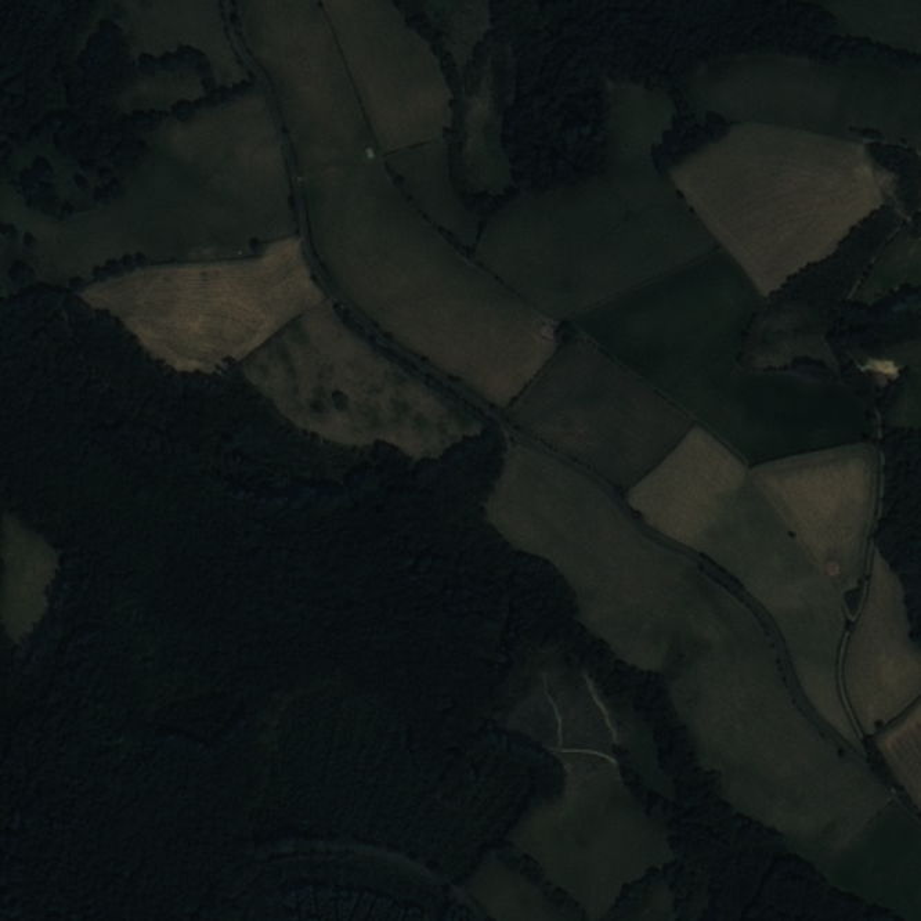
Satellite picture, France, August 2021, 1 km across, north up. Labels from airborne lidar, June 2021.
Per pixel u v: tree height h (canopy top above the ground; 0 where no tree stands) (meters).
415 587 27
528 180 20
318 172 0
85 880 25
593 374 0
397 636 31
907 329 16
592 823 0
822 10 6
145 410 30
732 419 0
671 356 0
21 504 22
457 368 0
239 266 0
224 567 26
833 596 0
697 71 15
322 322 0
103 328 20
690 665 0
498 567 28
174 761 28
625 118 0
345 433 0
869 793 0
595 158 27
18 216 0
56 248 0
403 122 0
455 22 0
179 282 0
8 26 26
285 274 0
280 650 26
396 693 27
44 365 16
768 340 0
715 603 0
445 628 33
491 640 33
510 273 0
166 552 23
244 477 11
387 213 0
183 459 30
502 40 15
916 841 0
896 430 8
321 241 0
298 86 0
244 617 27
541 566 15
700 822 16
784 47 18
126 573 23
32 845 25
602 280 0
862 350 12
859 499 0
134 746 23
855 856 0
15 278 15
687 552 0
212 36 0
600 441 0
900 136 0
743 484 0
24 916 25
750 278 0
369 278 0
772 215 0
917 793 0
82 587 30
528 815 20
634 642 0
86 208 0
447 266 0
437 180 0
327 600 29
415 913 11
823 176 0
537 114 25
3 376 25
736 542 0
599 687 7
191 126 0
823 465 0
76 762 28
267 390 0
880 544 12
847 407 0
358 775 6
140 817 27
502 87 0
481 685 30
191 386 24
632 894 17
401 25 0
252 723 25
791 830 0
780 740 0
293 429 7
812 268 10
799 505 0
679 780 16
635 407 0
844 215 0
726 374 0
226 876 24
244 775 25
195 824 24
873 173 0
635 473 0
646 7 23
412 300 0
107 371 22
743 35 21
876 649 0
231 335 0
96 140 22
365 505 33
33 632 0
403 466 17
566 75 23
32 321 22
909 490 12
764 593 0
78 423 25
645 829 0
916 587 19
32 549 0
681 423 0
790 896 24
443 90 0
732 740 0
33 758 25
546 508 0
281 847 18
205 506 25
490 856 17
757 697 0
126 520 25
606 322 0
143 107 0
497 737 26
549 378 0
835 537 0
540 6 14
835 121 0
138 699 24
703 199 0
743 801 0
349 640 28
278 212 0
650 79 20
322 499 31
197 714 11
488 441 11
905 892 0
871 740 10
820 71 0
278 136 0
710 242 0
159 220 0
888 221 6
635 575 0
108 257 0
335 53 0
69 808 22
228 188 0
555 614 26
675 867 10
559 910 9
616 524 0
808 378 10
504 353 0
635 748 0
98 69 24
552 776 24
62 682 24
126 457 27
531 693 0
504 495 0
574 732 0
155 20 0
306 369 0
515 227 0
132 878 22
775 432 0
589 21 18
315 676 22
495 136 0
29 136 12
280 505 28
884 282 0
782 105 0
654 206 0
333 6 0
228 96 14
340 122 0
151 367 23
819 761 0
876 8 0
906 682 0
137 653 23
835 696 0
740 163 0
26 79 17
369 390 0
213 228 0
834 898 24
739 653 0
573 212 0
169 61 12
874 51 14
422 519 22
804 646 0
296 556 28
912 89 0
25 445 21
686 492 0
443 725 25
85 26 18
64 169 0
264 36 0
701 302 0
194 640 25
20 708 18
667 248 0
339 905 18
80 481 23
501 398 0
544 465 0
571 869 0
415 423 0
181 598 24
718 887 22
